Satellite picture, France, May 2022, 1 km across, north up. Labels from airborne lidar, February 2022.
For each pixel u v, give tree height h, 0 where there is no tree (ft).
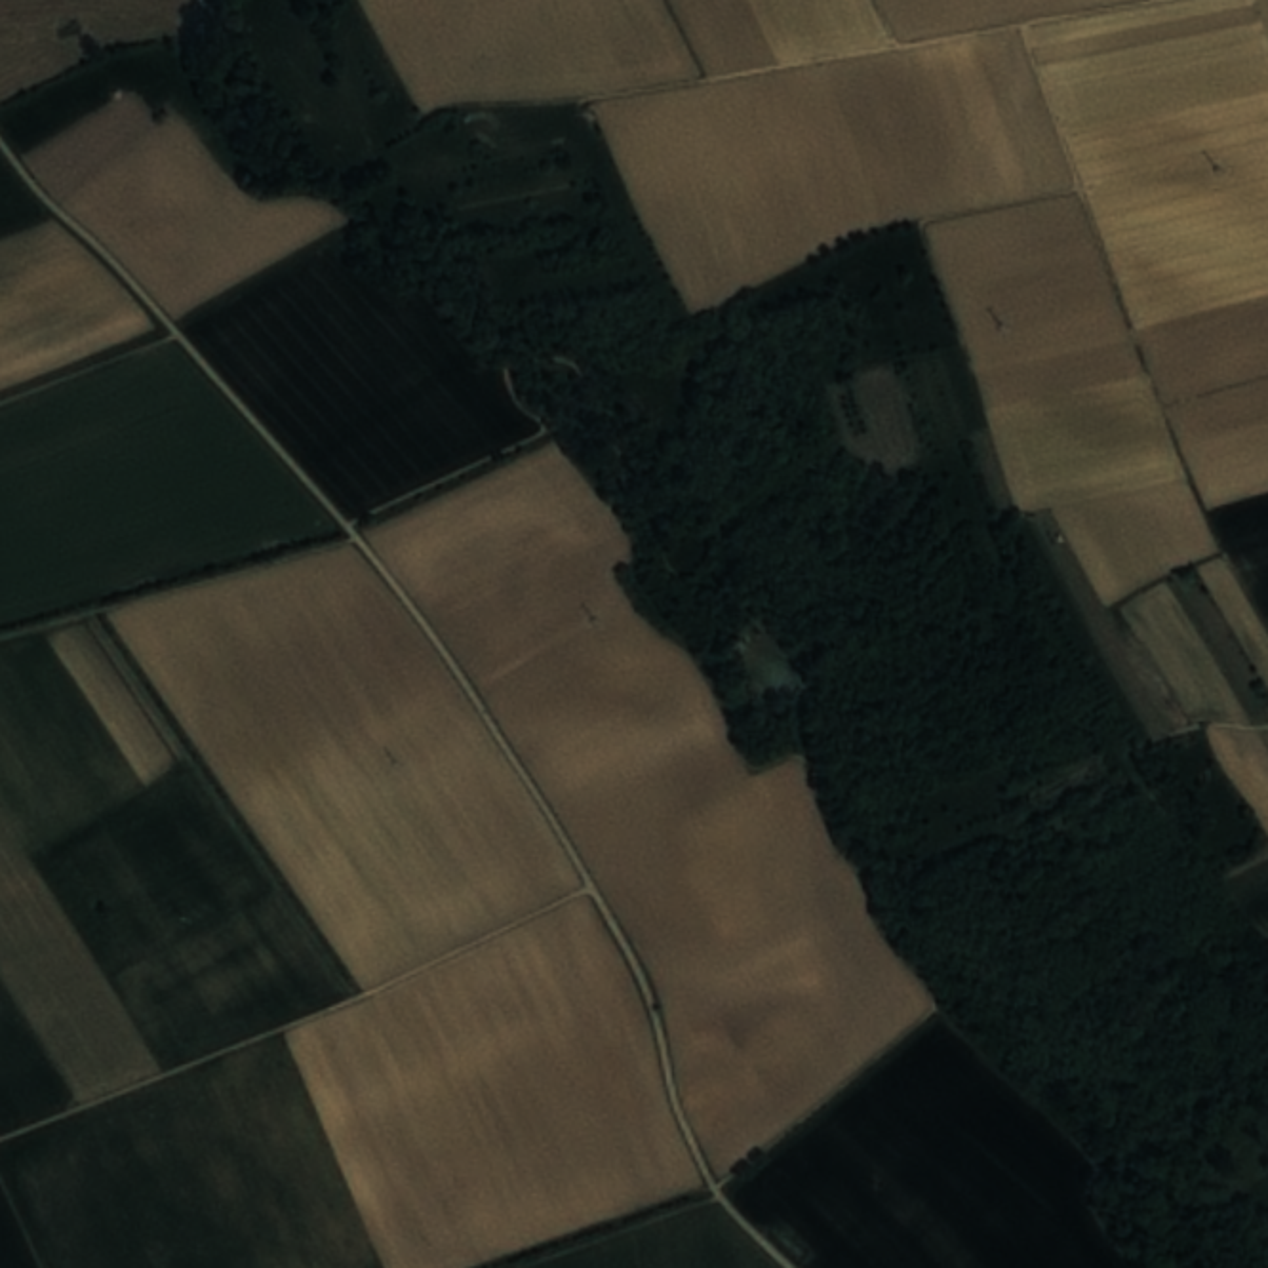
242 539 0
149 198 0
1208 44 0
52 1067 0
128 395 0
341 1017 0
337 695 0
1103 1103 72
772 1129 0
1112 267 0
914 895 78
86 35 0
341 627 0
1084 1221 0
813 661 60
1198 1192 0
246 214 0
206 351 0
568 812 0
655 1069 0
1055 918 40
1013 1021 71
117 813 0
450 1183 0
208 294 0
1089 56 0
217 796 0
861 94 0
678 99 0
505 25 0
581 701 0
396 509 0
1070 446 0
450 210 24
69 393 0
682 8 0
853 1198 0
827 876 0
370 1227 0
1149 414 0
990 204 0
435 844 0
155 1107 0
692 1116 0
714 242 0
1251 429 0
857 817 33
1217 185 0
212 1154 0
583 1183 0
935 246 0
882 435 0
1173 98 0
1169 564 0
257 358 0
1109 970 29
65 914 0
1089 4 0
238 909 0
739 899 0
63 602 0
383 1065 0
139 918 0
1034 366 0
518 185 0
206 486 0
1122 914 36
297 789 0
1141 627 0
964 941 58
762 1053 0
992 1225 0
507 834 0
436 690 0
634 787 0
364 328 0
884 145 0
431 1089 0
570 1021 0
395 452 0
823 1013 0
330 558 0
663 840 0
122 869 0
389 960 0
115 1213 0
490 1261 0
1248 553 0
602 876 0
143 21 0
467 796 0
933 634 62
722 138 0
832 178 0
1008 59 0
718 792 0
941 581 30
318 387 0
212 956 0
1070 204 0
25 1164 0
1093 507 0
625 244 46
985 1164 0
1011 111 0
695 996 0
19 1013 0
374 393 0
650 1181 0
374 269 94
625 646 0
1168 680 0
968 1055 0
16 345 0
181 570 0
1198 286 0
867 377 0
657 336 57
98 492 0
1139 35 0
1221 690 0
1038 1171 0
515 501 0
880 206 0
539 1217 0
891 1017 0
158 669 0
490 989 0
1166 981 59
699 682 0
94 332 0
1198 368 0
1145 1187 79
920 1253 0
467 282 39
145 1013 0
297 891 0
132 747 0
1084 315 0
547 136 0
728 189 0
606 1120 0
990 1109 0
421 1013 0
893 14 0
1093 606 0
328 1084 0
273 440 0
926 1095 0
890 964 0
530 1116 0
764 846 0
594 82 0
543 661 0
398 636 0
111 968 0
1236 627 0
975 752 55
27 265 0
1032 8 0
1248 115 0
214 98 53
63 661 0
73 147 0
